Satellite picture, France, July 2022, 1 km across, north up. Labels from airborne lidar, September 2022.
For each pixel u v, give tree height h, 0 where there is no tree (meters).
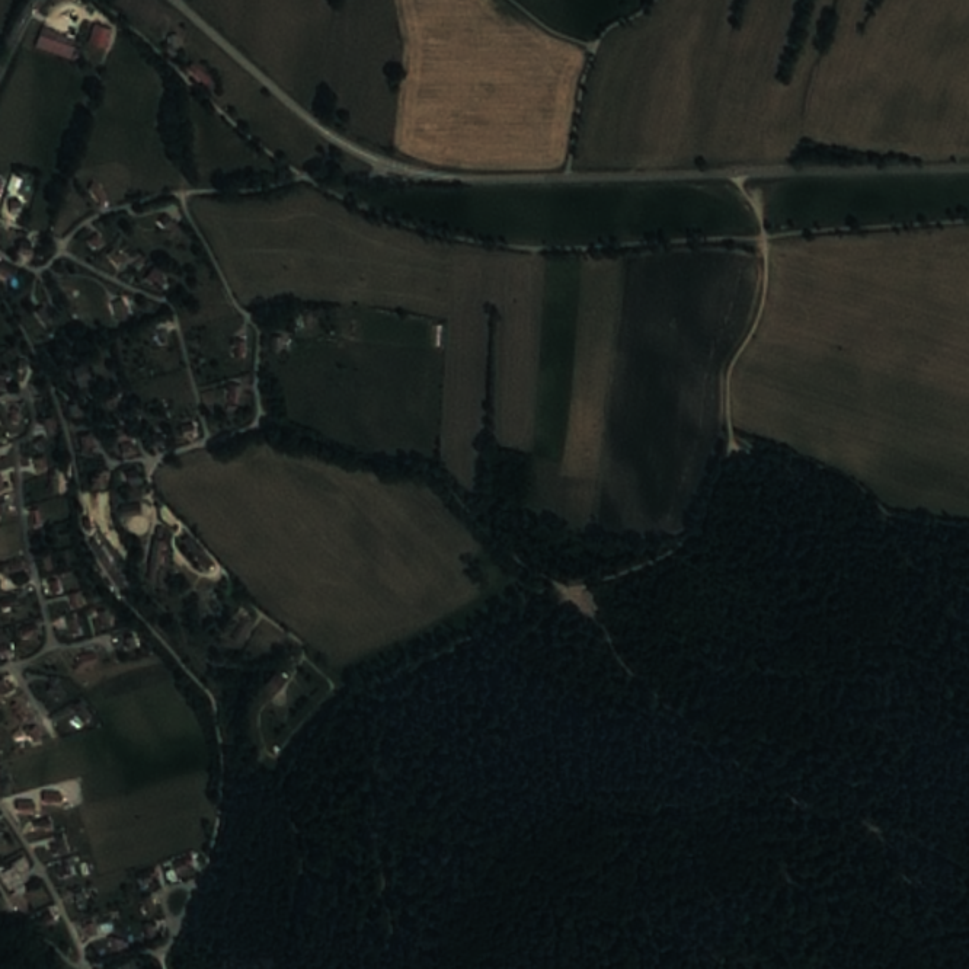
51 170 0
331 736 8
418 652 24
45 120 0
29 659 0
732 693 27
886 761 23
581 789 27
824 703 22
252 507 0
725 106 0
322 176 14
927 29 0
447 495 16
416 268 0
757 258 0
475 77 0
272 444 19
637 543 26
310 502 0
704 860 27
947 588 18
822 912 28
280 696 0
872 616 19
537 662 26
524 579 21
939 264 0
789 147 0
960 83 0
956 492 0
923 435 0
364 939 29
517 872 24
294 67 0
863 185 0
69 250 0
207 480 0
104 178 0
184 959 16
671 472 0
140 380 0
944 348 0
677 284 0
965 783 37
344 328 0
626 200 0
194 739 0
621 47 0
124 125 0
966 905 25
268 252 0
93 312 0
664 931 16
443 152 0
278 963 25
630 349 0
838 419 0
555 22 0
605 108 0
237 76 0
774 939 13
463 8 0
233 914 17
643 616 18
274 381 8
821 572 11
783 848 22
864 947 20
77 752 0
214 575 0
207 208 0
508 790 26
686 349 0
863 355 0
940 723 21
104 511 0
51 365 15
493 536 18
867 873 20
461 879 27
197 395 0
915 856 32
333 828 6
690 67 0
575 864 31
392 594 0
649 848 27
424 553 0
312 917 31
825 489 19
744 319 0
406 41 0
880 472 0
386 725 19
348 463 19
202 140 0
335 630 0
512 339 0
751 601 8
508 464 9
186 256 0
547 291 0
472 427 0
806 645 15
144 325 10
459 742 23
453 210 0
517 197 0
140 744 0
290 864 18
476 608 0
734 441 0
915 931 29
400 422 0
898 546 7
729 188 0
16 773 0
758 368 0
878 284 0
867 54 0
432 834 6
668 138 0
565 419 0
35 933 18
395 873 26
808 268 0
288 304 21
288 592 0
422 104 0
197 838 0
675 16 0
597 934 28
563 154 0
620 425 0
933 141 0
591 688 24
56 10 0
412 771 32
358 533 0
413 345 0
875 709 32
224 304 0
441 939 27
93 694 0
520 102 0
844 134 0
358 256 0
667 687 9
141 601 14
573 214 0
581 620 20
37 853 0
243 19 0
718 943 31
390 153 10
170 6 0
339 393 0
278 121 0
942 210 0
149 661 0
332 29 0
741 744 25
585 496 0
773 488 16
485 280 0
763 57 0
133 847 0
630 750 40
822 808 29
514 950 31
